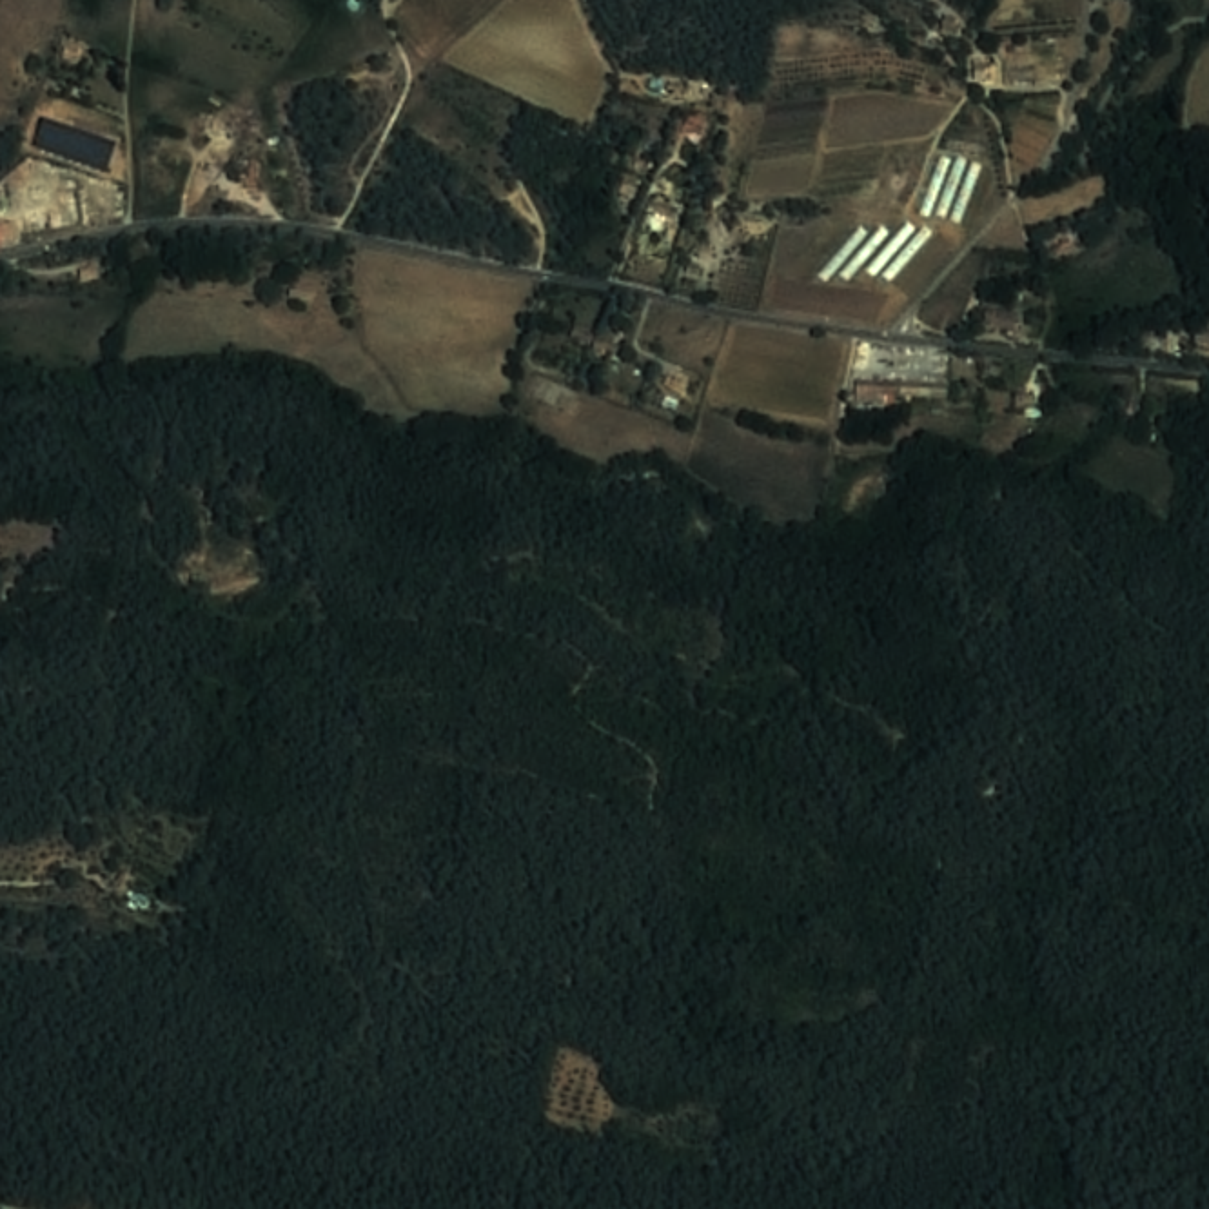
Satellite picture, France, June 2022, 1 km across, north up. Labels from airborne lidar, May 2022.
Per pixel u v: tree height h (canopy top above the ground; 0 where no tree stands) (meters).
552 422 0
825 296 0
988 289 16
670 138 18
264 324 0
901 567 21
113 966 18
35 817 16
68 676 16
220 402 16
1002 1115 19
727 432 0
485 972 22
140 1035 21
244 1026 14
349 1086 20
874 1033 19
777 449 0
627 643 7
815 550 21
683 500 21
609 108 10
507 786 19
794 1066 20
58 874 8
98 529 21
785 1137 15
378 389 0
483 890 17
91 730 18
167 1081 15
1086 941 20
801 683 9
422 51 0
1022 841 24
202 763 13
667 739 10
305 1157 18
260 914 16
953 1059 9
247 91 0
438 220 20
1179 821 22
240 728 7
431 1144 17
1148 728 21
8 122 0
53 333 0
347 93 13
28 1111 14
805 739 10
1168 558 20
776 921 10
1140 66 10
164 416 20
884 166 0
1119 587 16
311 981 10
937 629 14
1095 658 23
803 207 12
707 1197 14
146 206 0
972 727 19
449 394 0
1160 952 25
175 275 10
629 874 19
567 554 22
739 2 17
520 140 20
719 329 0
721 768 9
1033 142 0
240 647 7
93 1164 20
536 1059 18
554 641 22
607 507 26
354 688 13
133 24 0
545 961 15
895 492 17
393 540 15
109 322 0
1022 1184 24
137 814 7
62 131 0
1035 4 0
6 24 0
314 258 18
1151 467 0
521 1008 21
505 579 14
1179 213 25
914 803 18
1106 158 14
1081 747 24
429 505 18
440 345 0
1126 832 18
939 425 0
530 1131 19
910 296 0
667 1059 22
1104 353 14
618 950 18
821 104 0
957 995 18
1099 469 0
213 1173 14
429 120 0
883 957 9
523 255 6
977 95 11
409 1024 16
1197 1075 14
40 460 26
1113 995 17
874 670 15
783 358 0
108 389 19
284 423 17
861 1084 20
